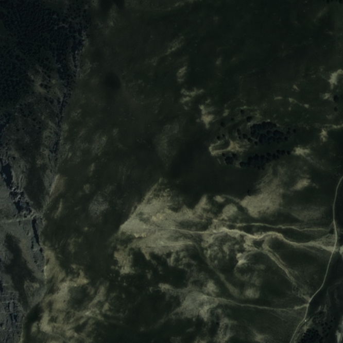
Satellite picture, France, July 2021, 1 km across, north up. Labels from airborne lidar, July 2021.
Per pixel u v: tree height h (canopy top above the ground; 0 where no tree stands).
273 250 0
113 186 0
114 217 0
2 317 0
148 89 0
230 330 0
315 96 0
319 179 0
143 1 0
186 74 0
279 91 0
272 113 0
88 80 0
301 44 0
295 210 0
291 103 0
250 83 0
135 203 0
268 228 0
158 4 0
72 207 0
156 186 0
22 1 7
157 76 0
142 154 0
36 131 0
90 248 0
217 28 0
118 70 0
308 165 0
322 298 0
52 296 0
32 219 0
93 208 0
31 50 13
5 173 0
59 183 0
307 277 0
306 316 0
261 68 0
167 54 0
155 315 0
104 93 0
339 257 0
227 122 0
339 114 0
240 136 9
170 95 0
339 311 0
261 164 17
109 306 0
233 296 0
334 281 0
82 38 11
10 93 13
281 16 0
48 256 0
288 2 0
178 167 0
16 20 7
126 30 0
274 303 0
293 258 0
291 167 0
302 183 0
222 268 0
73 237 0
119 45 0
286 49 0
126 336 0
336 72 0
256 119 0
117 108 0
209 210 0
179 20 0
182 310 0
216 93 0
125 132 0
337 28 0
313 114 0
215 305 0
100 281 0
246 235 0
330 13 0
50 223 0
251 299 0
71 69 0
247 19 0
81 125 0
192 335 0
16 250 0
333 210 0
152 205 0
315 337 12
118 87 0
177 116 0
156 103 0
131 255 0
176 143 0
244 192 0
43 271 0
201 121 0
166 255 0
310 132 0
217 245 0
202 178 0
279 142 18
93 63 0
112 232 0
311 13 0
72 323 0
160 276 0
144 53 0
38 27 11
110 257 0
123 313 0
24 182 0
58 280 0
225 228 0
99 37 0
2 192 0
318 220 0
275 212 0
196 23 0
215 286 0
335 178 0
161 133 0
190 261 0
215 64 0
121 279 0
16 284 0
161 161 0
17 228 0
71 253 0
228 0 0
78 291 0
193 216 0
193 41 0
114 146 0
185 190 0
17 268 0
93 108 0
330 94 0
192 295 0
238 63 0
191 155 0
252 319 0
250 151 0
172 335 0
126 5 0
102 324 0
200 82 0
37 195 0
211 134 0
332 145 0
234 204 0
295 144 0
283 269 0
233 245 0
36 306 0
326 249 0
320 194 0
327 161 0
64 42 8
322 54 0
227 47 0
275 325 0
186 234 0
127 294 0
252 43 0
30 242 0
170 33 0
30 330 0
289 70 0
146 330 0
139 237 0
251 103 0
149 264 0
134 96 0
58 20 6
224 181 0
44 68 7
